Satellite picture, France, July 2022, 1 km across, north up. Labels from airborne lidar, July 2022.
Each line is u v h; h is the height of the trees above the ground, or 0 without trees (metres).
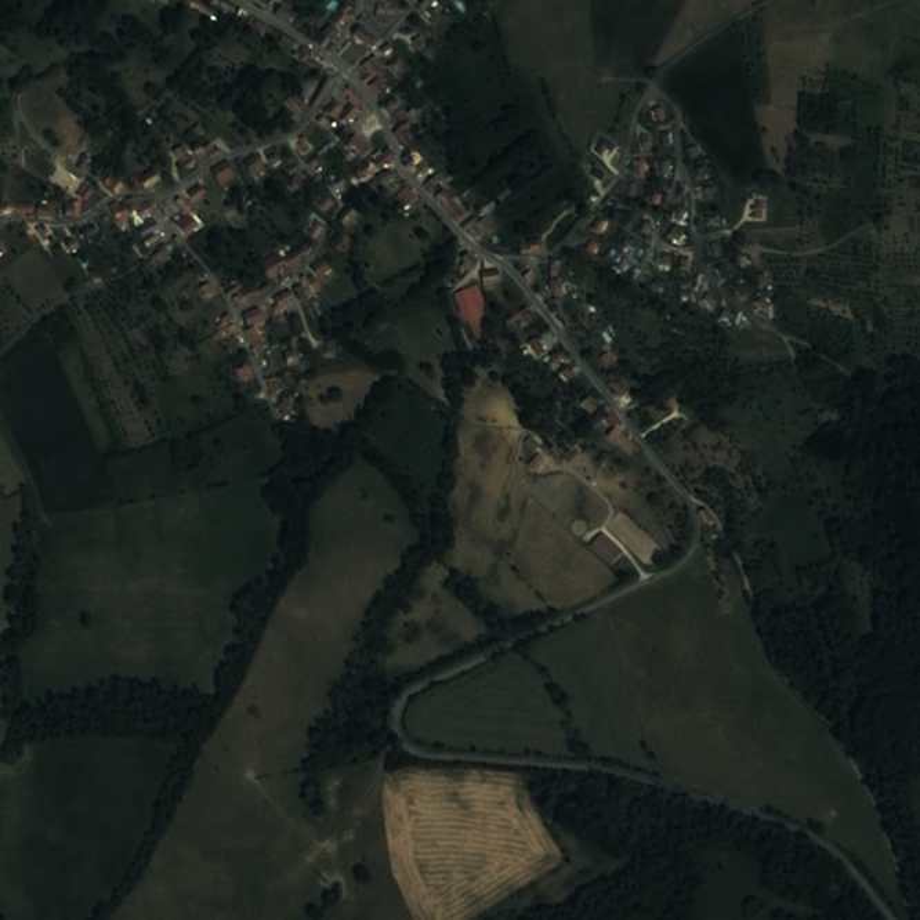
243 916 0
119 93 14
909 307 7
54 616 0
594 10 0
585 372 0
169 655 0
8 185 0
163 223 0
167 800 12
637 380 6
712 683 0
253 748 0
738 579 0
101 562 0
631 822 21
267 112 10
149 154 7
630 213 12
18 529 13
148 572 0
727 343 7
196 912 0
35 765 0
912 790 14
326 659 0
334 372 0
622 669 0
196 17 0
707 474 10
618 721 0
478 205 7
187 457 7
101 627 0
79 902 0
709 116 0
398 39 0
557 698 7
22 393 0
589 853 0
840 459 12
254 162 0
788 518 0
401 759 11
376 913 0
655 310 11
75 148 0
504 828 0
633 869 18
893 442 22
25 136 0
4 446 0
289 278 0
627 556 0
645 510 0
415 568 16
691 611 0
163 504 0
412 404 0
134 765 0
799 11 0
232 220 0
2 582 0
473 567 0
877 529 9
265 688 0
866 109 0
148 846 10
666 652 0
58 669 0
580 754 19
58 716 16
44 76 7
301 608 0
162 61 20
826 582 6
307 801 10
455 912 0
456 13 6
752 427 0
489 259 0
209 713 18
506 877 0
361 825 0
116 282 6
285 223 0
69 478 0
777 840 20
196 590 0
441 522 22
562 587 0
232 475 0
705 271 0
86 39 14
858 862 7
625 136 0
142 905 0
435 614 0
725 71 0
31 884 0
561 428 5
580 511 0
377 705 21
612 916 14
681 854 18
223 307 0
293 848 0
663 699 0
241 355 9
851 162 13
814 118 9
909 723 18
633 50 0
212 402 0
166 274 10
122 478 0
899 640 21
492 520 0
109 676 0
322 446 8
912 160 6
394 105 0
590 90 0
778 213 0
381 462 14
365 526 0
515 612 0
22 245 0
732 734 0
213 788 0
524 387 12
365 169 0
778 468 0
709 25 0
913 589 20
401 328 0
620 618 0
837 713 17
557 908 7
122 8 0
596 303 10
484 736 0
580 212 16
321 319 7
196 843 0
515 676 0
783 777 0
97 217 0
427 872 0
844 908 15
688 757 0
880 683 25
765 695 0
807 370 8
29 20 0
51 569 0
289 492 23
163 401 0
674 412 0
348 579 0
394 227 0
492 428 0
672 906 9
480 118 6
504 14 0
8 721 17
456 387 19
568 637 0
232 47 0
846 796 0
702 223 11
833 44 0
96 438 0
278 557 9
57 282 0
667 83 0
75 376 0
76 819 0
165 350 10
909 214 0
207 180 0
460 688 0
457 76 0
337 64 0
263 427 0
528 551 0
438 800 0
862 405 15
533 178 7
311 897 0
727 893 0
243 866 0
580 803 26
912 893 19
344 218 0
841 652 21
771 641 19
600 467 0
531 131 8
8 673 18
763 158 0
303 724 0
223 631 0
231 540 0
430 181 0
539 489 0
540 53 0
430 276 11
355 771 0
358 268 24
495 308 11
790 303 0
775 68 0
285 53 0
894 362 15
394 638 0
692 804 20
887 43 0
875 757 21
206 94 7
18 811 0
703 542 7
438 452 0
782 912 10
